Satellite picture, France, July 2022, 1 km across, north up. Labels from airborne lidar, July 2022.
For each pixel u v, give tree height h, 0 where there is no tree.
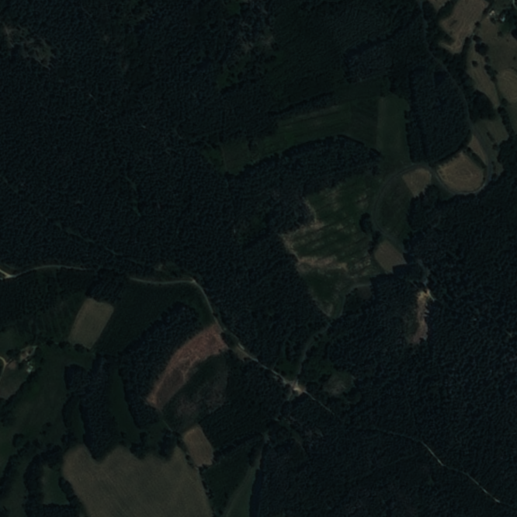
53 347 21
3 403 14
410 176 0
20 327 0
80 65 25
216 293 25
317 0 19
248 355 0
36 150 22
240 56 18
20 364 6
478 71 0
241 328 25
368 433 24
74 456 0
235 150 0
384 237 17
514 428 28
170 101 26
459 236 23
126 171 19
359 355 29
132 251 27
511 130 17
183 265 28
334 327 21
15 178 28
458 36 0
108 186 27
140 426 28
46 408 0
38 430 0
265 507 33
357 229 0
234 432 9
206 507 0
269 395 20
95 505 0
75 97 24
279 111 11
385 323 24
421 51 22
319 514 16
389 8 9
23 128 28
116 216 25
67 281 7
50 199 27
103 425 30
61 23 28
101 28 17
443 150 35
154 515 0
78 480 0
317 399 17
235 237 25
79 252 28
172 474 0
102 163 23
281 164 31
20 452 19
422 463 19
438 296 34
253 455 16
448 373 16
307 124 0
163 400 0
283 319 34
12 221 26
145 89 29
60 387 0
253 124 24
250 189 31
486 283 27
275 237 26
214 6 14
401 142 0
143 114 29
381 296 29
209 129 25
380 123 0
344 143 30
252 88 21
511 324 29
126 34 19
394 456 23
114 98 14
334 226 0
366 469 28
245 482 0
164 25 27
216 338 0
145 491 0
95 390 33
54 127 27
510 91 0
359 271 0
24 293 11
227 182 19
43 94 26
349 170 31
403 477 19
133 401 32
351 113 0
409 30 26
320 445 17
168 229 22
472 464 22
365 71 28
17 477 14
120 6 18
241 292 26
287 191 30
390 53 19
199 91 29
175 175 20
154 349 35
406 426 22
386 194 0
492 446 20
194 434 0
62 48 22
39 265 9
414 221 23
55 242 27
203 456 0
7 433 0
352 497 17
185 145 23
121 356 21
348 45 8
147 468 0
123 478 0
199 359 0
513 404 29
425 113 35
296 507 16
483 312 30
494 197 22
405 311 30
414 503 20
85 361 0
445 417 18
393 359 23
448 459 21
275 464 23
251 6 15
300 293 28
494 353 33
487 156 0
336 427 24
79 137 25
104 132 22
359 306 7
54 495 0
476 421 28
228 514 0
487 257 26
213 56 19
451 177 0
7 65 21
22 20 20
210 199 27
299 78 6
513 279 28
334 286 0
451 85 43
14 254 28
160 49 22
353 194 0
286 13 6
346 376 0
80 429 0
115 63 25
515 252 23
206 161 25
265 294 29
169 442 22
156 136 29
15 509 0
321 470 27
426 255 33
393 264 0
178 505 0
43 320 0
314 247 0
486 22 0
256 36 25
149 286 6
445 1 0
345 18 9
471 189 0
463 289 31
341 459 30
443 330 32
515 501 17
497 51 0
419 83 37
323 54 5
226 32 18
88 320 0
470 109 7
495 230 24
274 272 30
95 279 12
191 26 25
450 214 25
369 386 24
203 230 27
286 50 6
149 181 27
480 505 25
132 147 23
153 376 34
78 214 30
